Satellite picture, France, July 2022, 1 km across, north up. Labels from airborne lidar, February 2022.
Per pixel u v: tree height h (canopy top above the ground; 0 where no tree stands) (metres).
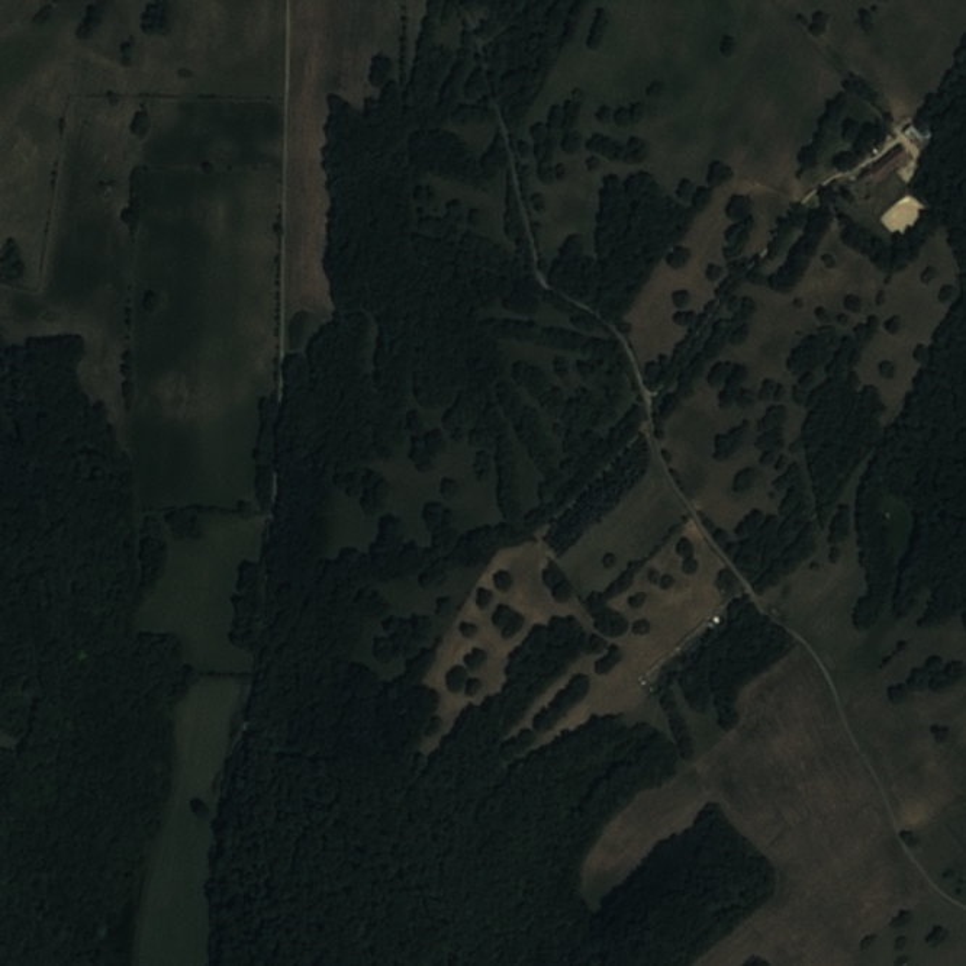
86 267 0
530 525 9
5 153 0
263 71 0
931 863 0
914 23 0
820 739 0
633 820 0
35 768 17
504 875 8
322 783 22
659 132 0
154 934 0
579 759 18
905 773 0
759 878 14
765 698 0
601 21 9
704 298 0
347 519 0
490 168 12
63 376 16
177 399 0
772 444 6
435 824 14
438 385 15
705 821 13
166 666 16
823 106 0
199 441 0
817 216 18
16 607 25
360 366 14
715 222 0
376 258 17
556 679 9
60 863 27
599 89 0
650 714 0
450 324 20
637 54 0
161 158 0
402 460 0
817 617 0
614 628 5
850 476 8
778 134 0
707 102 0
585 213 0
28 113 0
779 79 0
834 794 0
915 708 0
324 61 0
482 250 7
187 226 0
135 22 0
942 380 17
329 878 17
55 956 20
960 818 0
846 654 0
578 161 0
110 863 25
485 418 10
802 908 0
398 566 18
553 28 12
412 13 0
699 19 0
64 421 17
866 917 0
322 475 19
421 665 17
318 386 15
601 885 0
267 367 0
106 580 21
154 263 0
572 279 18
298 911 18
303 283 0
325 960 19
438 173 10
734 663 15
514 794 17
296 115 0
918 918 0
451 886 9
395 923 18
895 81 0
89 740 21
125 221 11
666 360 13
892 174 0
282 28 0
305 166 0
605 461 6
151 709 24
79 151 0
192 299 0
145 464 0
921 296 0
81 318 0
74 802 24
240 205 0
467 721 16
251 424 0
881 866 0
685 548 8
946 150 18
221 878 8
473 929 14
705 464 0
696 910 17
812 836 0
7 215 0
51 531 14
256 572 16
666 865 14
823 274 0
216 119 0
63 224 0
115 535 19
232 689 0
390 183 17
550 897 13
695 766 0
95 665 21
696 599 0
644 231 14
